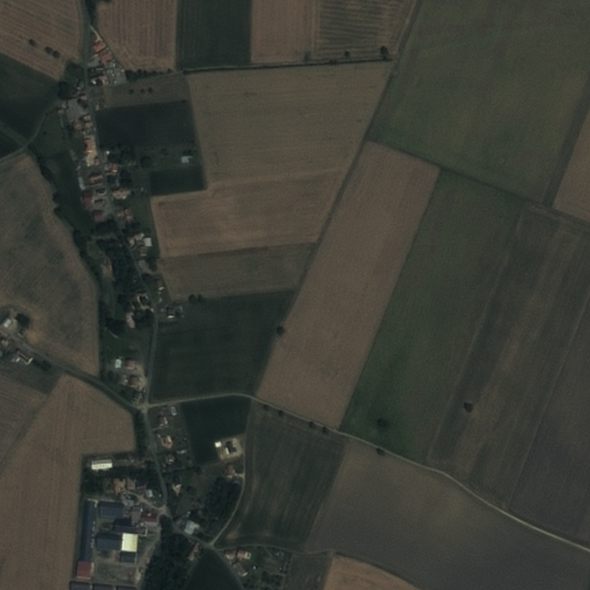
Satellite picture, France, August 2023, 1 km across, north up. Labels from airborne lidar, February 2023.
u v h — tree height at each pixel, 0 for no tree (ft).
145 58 0
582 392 0
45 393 0
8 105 0
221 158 0
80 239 52
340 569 0
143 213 0
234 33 0
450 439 0
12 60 0
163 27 0
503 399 0
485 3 0
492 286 0
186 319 0
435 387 0
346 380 0
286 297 0
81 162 0
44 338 0
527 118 0
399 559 0
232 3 0
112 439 0
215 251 0
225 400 0
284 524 0
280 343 0
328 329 0
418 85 0
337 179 0
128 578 0
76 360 0
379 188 0
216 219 0
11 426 0
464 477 0
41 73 0
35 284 0
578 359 0
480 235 0
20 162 0
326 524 0
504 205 0
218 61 0
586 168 0
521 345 0
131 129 0
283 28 0
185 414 0
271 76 0
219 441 0
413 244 0
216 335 0
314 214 0
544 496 0
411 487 0
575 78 0
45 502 0
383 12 0
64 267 0
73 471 0
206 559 0
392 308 0
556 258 0
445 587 0
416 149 0
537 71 0
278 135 0
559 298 0
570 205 0
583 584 0
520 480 0
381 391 0
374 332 0
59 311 0
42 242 0
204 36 0
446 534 0
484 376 0
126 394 20
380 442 0
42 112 0
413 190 0
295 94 0
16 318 0
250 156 0
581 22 0
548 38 0
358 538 0
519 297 0
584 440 0
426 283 0
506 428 0
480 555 0
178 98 0
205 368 0
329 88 0
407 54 0
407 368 0
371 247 0
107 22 0
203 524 33
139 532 0
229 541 0
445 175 0
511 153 0
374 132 0
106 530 0
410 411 0
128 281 69
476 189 0
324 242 0
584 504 0
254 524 0
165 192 0
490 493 0
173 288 0
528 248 0
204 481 0
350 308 0
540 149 0
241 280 0
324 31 0
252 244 0
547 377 0
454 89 0
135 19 0
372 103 0
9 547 0
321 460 0
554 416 0
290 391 0
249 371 0
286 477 0
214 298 0
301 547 0
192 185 0
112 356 0
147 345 0
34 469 0
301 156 0
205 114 0
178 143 0
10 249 0
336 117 0
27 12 0
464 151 0
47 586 0
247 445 0
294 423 0
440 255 0
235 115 0
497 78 0
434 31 0
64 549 0
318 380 0
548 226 0
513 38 0
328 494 0
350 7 0
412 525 0
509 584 0
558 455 0
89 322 0
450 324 0
